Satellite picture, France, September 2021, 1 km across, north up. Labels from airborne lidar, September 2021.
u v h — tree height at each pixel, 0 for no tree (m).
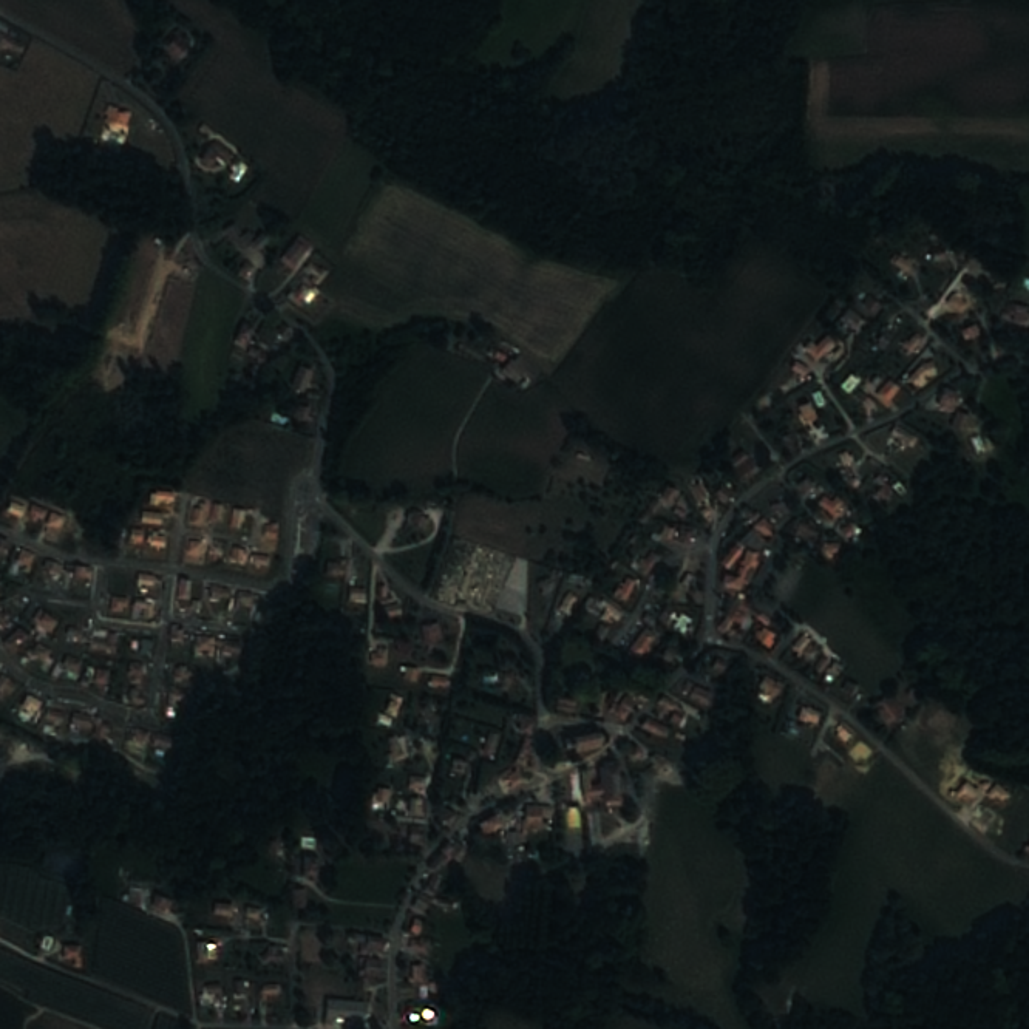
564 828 8
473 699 9
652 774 0
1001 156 0
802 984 0
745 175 9
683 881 0
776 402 9
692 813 0
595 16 0
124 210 16
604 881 21
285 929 0
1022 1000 27
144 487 6
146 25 7
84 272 0
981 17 0
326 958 12
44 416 10
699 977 0
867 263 7
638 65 21
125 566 0
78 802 21
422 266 0
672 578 16
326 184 0
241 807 28
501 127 28
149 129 0
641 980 19
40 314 22
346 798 30
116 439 10
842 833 10
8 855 20
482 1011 18
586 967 28
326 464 8
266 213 15
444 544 7
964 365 0
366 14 26
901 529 17
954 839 0
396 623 10
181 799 30
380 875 0
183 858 19
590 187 26
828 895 18
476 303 0
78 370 23
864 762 0
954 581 13
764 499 0
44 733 0
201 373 0
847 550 13
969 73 0
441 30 23
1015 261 16
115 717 0
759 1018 19
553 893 19
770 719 6
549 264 0
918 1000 29
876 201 22
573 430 16
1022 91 0
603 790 0
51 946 0
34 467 0
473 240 0
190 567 0
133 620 0
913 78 0
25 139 0
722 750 30
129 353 0
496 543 0
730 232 8
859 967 0
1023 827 0
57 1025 0
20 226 0
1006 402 0
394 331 7
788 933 29
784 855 27
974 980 26
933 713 0
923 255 0
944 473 14
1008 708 23
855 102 0
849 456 0
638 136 27
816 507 12
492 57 0
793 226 9
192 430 8
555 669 9
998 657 17
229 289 0
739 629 11
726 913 0
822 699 0
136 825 29
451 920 0
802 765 0
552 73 13
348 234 0
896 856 0
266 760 23
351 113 16
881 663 0
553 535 0
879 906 0
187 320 0
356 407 10
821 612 0
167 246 6
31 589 0
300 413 0
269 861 0
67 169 13
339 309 0
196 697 14
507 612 0
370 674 0
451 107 14
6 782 10
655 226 20
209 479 0
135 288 0
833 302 7
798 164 10
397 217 0
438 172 7
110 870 0
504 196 14
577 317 0
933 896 0
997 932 25
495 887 0
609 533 0
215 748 27
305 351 10
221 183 8
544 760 18
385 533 0
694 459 0
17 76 0
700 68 24
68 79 0
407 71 18
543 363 0
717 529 0
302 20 30
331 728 30
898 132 0
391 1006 0
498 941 34
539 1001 28
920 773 0
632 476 7
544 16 0
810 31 0
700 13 26
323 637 26
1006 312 0
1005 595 17
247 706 29
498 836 10
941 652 20
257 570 0
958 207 7
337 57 27
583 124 27
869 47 0
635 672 27
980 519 12
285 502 0
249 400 21
